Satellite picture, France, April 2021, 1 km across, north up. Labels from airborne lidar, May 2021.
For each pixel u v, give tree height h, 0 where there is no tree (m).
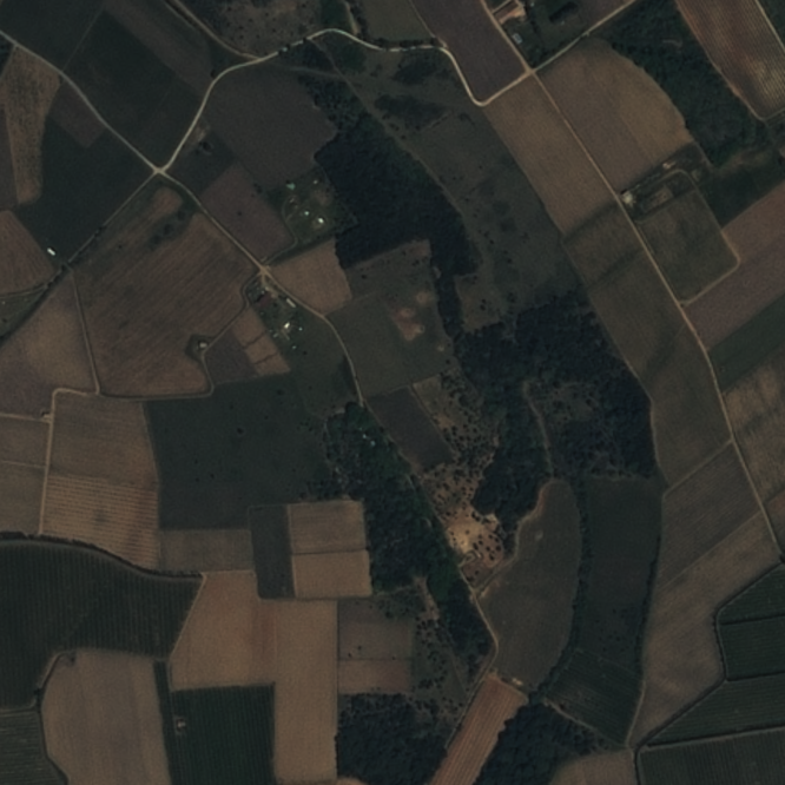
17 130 0
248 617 0
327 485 6
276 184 0
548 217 0
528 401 9
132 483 0
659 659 0
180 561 0
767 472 0
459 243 8
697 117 13
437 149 0
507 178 0
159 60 0
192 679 0
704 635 0
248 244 0
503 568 0
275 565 0
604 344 6
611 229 0
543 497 0
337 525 0
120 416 0
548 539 0
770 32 0
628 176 0
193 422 0
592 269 0
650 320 0
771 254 0
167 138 0
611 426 13
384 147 13
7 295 0
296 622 0
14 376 0
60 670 0
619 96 0
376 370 0
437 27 0
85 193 0
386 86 0
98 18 0
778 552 0
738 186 0
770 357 0
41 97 0
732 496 0
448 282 6
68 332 0
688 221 0
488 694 0
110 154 0
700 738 9
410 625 0
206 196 0
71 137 0
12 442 0
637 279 0
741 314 0
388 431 7
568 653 5
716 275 0
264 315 0
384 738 10
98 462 0
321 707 0
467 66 0
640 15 8
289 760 0
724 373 0
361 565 0
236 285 0
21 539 17
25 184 0
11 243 0
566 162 0
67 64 0
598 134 0
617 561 0
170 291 0
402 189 13
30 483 0
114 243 0
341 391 0
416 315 0
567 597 0
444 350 0
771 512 0
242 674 0
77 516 0
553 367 7
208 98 0
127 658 0
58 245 0
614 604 0
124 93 0
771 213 0
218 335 0
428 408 0
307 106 0
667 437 0
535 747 12
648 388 0
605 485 0
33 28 0
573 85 0
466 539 0
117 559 12
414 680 0
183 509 0
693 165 0
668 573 0
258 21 0
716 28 0
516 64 0
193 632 0
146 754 0
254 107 0
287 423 0
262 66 0
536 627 0
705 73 10
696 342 0
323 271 0
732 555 0
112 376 0
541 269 0
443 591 12
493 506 6
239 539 0
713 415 0
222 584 0
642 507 0
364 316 0
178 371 0
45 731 0
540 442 11
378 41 9
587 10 0
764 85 0
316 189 0
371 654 0
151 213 0
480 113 0
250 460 0
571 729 7
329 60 9
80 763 0
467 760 0
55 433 0
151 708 0
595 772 0
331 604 0
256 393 0
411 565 8
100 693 0
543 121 0
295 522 0
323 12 0
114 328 0
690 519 0
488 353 7
